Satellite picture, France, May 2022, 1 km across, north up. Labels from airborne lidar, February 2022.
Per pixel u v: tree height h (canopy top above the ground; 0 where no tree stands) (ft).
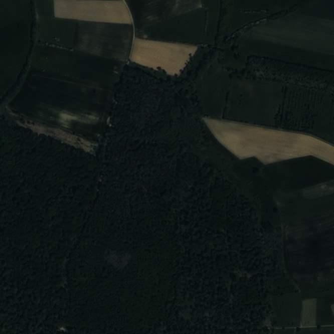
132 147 70
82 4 0
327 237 0
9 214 98
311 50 0
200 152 0
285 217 0
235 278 94
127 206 84
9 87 0
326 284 0
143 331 61
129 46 0
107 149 56
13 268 101
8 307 99
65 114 0
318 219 0
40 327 106
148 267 53
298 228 0
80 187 100
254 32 0
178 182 108
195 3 0
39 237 79
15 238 88
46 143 96
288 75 66
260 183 0
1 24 0
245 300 37
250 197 0
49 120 0
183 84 84
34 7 51
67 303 68
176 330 74
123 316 66
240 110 0
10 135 98
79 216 81
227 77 0
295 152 0
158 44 0
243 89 0
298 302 0
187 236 74
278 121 35
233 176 0
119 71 0
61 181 91
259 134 0
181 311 83
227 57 0
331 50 0
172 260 61
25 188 98
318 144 0
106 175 85
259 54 0
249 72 54
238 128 0
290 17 0
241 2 0
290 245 0
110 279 66
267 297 52
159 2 0
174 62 0
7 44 0
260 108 0
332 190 0
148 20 0
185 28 0
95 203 78
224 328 92
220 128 0
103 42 0
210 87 0
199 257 76
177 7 0
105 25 0
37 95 0
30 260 86
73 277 69
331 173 0
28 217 84
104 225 68
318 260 0
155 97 74
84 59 0
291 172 0
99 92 0
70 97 0
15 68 0
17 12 0
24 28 0
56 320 98
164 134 73
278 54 0
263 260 62
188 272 49
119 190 97
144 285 55
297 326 0
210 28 0
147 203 89
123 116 77
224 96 0
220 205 29
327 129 0
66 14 0
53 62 0
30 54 52
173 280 56
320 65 0
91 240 64
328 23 0
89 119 0
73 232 76
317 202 0
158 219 68
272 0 0
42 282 91
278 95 0
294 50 0
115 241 61
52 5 0
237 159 0
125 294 52
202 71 76
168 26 0
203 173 90
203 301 85
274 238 52
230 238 86
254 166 0
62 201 105
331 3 0
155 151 71
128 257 59
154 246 57
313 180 0
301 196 0
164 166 81
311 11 0
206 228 53
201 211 81
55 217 95
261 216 0
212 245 22
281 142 0
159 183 66
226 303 93
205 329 73
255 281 69
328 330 0
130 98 77
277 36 0
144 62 0
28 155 94
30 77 0
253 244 88
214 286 100
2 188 90
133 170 98
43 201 92
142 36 0
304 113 0
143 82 57
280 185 0
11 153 87
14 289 108
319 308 0
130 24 0
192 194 92
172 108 83
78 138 0
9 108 0
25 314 102
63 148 83
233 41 27
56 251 83
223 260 96
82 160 96
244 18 0
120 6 0
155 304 56
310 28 0
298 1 0
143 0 0
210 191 34
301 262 0
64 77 0
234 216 40
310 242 0
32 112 0
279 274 35
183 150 98
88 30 0
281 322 0
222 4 38
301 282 0
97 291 64
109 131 71
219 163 0
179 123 90
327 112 0
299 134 0
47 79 0
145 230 68
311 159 0
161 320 70
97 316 66
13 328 93
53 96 0
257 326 101
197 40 0
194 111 91
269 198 0
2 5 0
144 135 50
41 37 0
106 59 0
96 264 67
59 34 0
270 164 0
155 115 73
